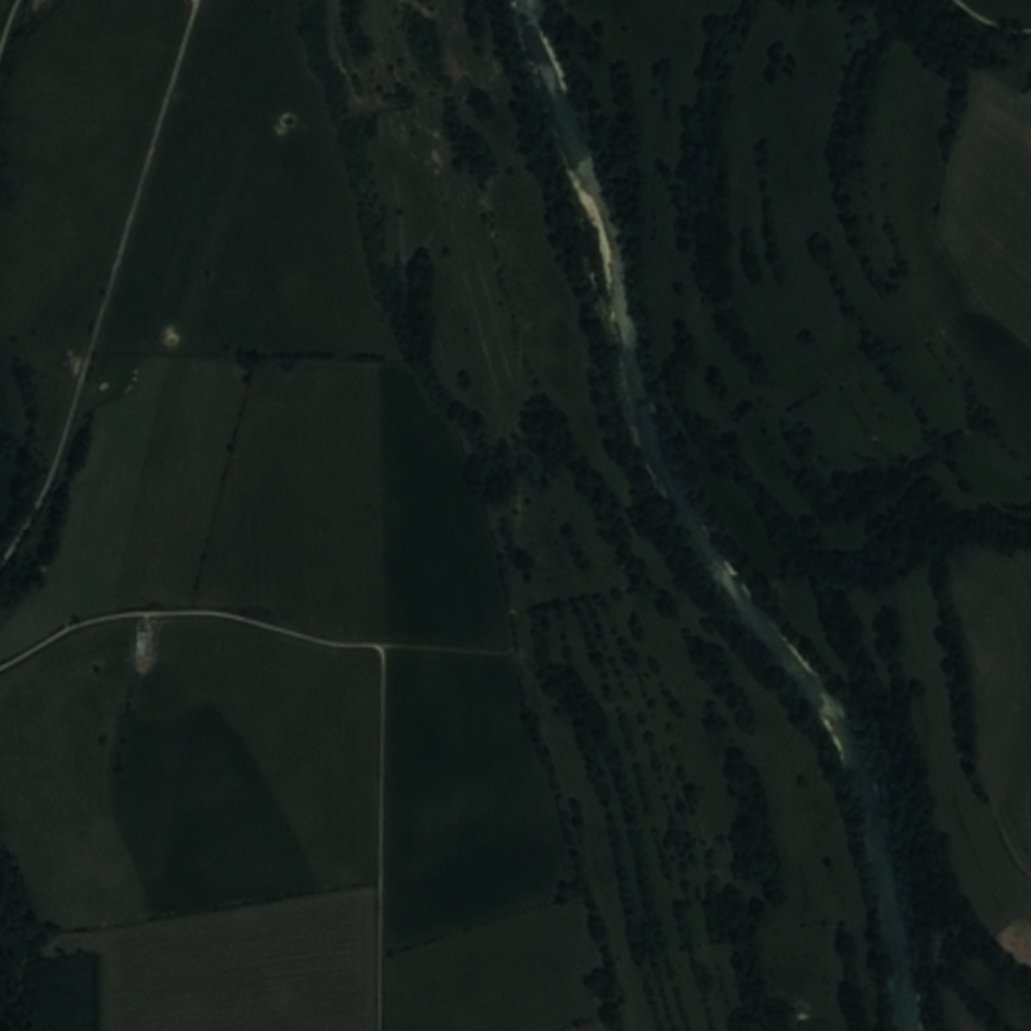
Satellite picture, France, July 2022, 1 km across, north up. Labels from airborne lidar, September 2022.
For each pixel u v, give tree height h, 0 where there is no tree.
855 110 10
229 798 0
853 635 15
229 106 0
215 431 0
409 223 0
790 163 0
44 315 0
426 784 0
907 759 22
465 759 0
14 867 9
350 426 0
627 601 0
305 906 0
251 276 0
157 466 0
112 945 0
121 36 0
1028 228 0
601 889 0
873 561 22
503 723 0
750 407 15
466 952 0
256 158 0
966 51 21
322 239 0
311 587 0
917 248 0
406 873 0
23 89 0
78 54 0
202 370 0
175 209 0
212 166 0
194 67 0
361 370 0
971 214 0
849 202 16
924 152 0
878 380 0
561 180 20
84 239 0
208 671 0
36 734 0
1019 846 0
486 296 0
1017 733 0
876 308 0
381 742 0
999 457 0
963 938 9
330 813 0
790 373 0
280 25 0
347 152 6
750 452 0
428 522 0
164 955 0
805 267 0
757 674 21
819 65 0
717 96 7
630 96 7
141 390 0
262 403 0
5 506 0
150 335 0
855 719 14
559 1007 0
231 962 0
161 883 0
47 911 0
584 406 0
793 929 0
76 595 0
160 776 0
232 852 0
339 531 0
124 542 0
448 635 0
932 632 0
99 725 0
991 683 0
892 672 8
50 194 0
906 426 0
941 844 19
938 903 9
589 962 0
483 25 8
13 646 0
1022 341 0
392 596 0
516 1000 0
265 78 0
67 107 0
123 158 0
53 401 0
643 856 8
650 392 15
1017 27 12
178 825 0
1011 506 7
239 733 0
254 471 0
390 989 0
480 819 0
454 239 0
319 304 0
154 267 0
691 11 0
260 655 0
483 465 19
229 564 0
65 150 0
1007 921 0
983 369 0
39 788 0
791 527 20
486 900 0
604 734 17
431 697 0
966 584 0
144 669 0
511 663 0
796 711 7
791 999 0
